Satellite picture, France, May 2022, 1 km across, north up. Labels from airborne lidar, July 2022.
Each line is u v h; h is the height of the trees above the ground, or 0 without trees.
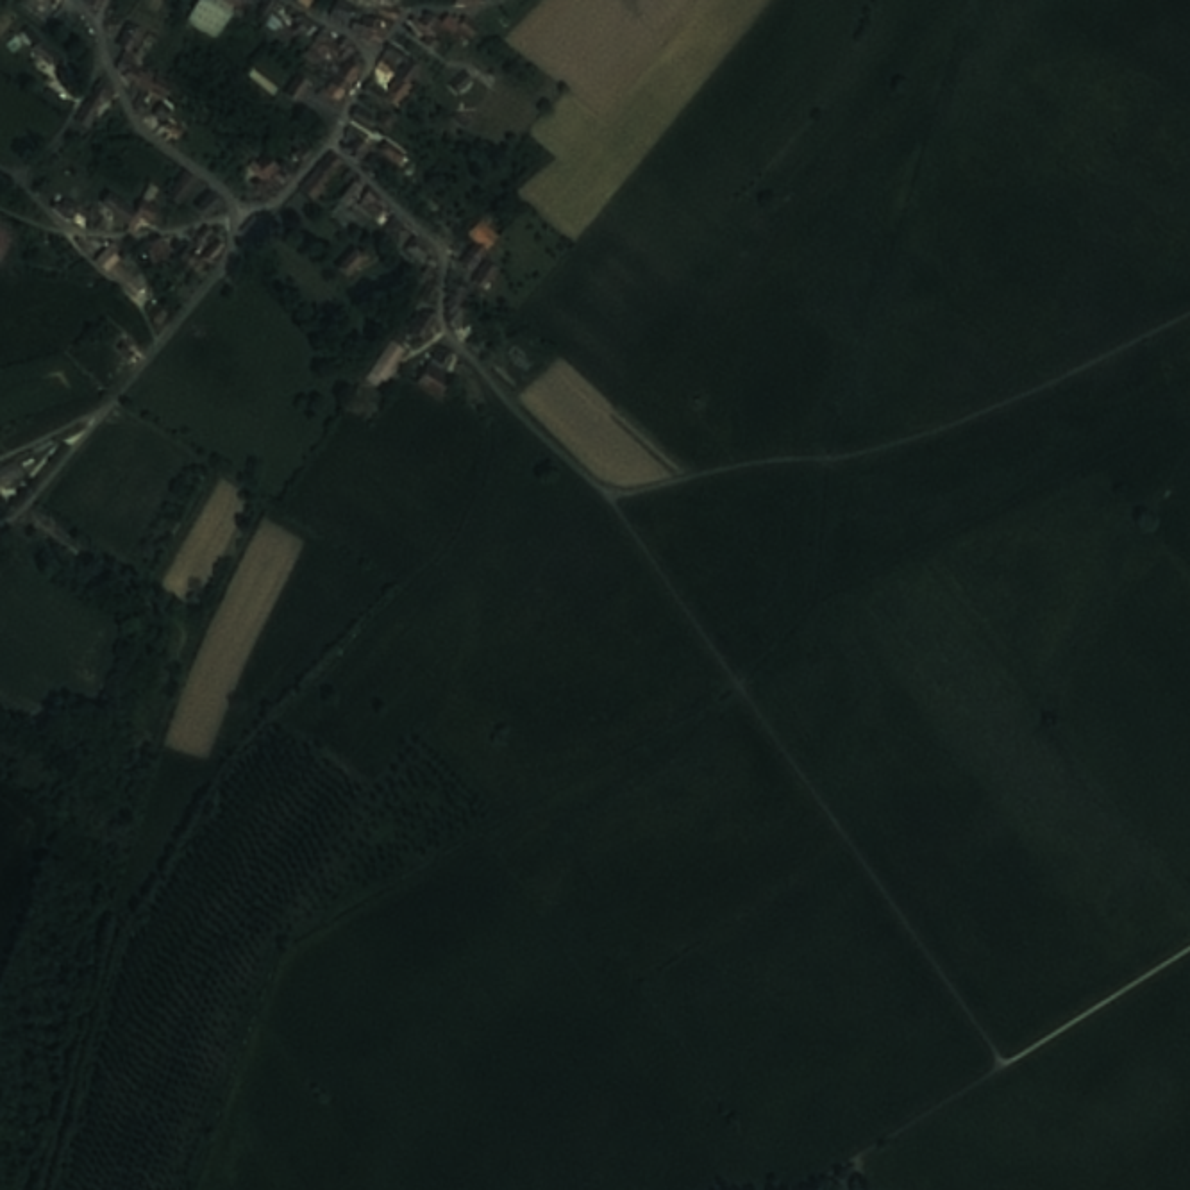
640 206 0
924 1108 0
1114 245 0
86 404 0
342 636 7
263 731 9
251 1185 0
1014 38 0
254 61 6
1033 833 0
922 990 0
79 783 20
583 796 0
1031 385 0
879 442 0
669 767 0
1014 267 0
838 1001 0
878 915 0
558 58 0
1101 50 0
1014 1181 0
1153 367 0
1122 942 0
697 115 0
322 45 0
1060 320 0
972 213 0
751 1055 0
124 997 20
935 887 0
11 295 0
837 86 0
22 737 18
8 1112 25
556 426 0
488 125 0
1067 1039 0
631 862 0
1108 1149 0
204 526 0
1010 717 0
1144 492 0
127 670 9
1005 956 0
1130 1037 0
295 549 0
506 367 0
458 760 0
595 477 0
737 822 0
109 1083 15
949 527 0
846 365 0
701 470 0
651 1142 0
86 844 13
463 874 0
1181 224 0
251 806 14
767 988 0
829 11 0
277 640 0
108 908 8
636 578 0
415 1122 0
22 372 0
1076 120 0
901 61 0
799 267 0
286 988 0
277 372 0
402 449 0
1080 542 0
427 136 7
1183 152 0
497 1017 0
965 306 0
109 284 6
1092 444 0
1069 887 0
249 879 14
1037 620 0
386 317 27
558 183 0
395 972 0
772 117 0
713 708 0
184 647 0
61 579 14
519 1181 0
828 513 0
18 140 0
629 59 0
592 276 0
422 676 0
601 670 0
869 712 0
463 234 7
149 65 6
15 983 19
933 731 0
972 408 0
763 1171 0
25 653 0
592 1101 0
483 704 0
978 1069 0
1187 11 0
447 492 0
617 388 0
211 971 13
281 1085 0
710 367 0
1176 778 0
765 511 0
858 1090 0
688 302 0
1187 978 0
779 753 0
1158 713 0
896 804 0
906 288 0
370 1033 0
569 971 0
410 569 0
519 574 0
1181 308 0
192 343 0
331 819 14
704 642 0
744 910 0
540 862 0
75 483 0
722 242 0
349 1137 0
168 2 8
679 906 0
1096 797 0
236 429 0
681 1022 0
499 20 0
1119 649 0
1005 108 0
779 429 0
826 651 0
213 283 0
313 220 19
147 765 24
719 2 0
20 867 0
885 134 0
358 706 0
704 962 0
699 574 0
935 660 0
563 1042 0
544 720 0
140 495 0
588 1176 0
